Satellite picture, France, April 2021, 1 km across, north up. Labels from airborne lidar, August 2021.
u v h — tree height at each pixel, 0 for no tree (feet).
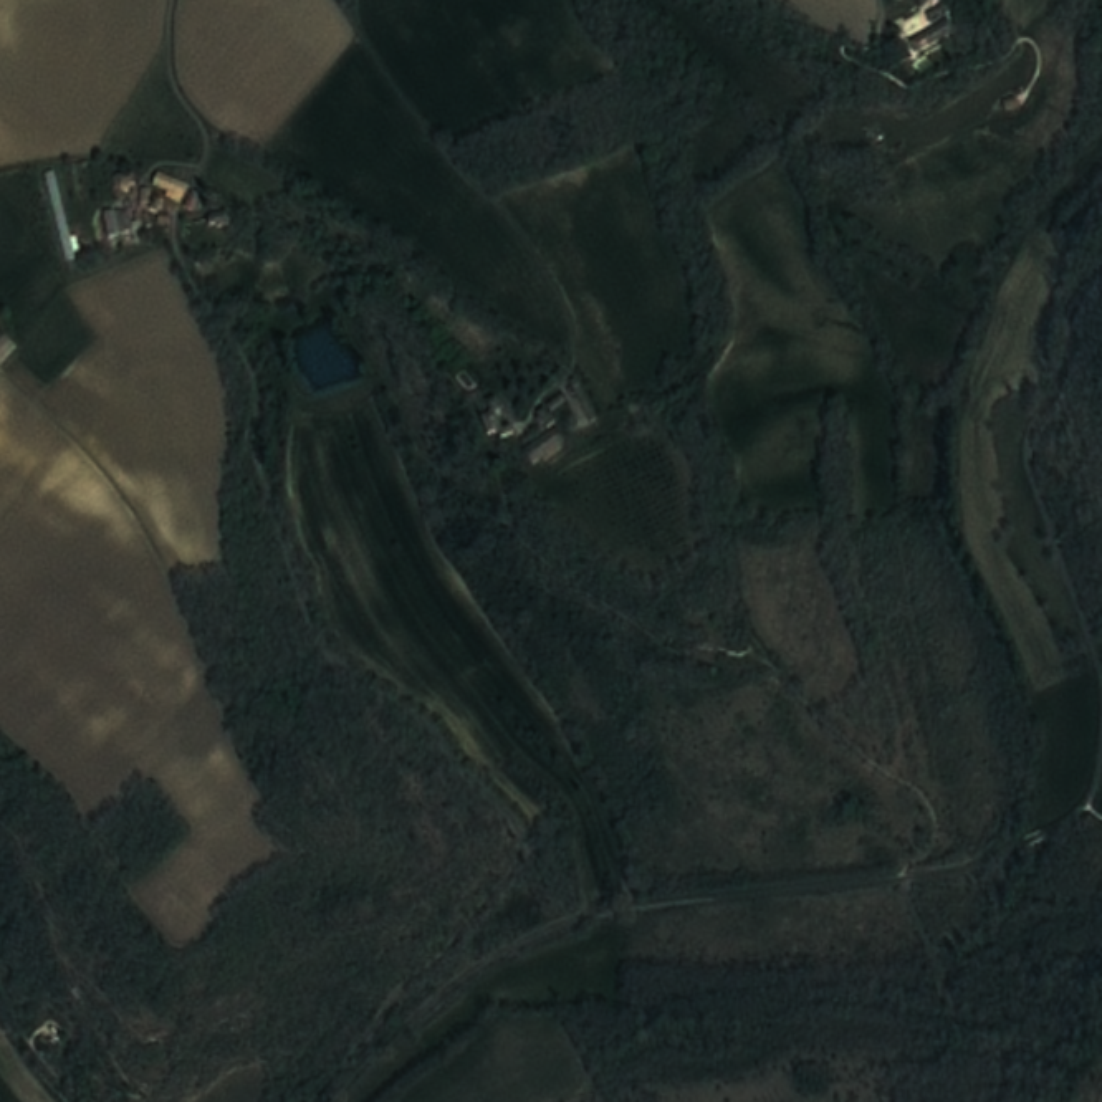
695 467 51
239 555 57
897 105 60
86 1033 53
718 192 64
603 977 0
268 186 0
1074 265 63
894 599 23
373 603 0
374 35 0
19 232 0
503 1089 0
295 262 0
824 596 0
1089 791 0
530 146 48
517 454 34
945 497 56
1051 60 0
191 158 30
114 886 45
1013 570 0
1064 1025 80
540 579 40
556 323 0
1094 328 58
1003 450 0
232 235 43
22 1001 56
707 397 61
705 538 58
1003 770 18
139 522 0
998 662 65
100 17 0
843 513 78
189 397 0
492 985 0
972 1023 34
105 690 0
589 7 43
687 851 0
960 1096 44
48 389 0
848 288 56
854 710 54
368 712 32
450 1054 53
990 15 27
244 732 58
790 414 0
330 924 35
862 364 0
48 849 47
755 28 36
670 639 43
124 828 63
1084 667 49
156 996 30
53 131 0
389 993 75
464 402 22
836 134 0
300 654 65
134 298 0
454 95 0
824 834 0
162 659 0
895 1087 33
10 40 0
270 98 0
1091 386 65
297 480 0
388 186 0
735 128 0
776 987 56
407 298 38
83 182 23
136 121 0
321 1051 55
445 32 0
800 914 0
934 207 0
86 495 0
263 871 54
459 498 40
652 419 47
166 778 0
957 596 31
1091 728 0
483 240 0
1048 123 0
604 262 0
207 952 43
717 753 0
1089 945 62
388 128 0
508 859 49
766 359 0
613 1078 18
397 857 40
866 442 0
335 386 0
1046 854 50
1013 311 0
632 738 57
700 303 71
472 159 47
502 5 0
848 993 47
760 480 0
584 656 18
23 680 0
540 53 0
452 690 0
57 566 0
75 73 0
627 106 50
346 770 69
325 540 0
